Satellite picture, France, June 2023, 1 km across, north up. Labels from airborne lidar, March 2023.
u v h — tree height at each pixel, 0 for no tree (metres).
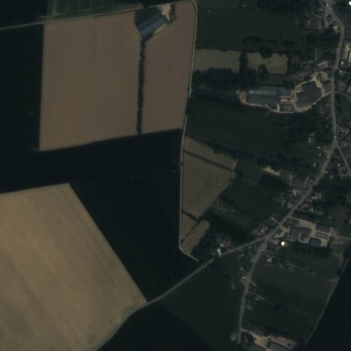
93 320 0
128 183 0
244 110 0
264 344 0
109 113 0
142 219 0
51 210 0
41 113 0
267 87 0
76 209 0
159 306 0
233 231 0
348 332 0
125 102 0
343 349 0
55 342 0
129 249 0
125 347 0
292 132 24
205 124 0
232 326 0
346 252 11
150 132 0
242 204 0
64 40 0
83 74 0
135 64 0
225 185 0
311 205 0
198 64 0
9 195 0
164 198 0
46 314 0
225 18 0
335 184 0
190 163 0
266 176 18
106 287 0
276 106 0
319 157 0
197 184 0
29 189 0
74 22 0
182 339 0
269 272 0
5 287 0
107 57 0
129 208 0
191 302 0
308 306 0
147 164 0
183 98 0
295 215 0
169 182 0
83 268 0
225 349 0
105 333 0
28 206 0
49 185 0
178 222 0
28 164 0
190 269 0
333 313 0
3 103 0
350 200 0
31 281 0
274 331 17
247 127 0
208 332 0
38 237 0
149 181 0
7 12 0
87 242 0
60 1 0
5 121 0
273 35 0
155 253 0
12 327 0
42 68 0
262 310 0
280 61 0
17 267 0
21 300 0
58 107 0
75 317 0
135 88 0
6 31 0
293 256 0
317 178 0
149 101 0
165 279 0
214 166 0
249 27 0
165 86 0
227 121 0
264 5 20
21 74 0
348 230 0
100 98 0
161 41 0
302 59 11
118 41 0
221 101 23
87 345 0
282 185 14
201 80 19
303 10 24
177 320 0
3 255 0
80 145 0
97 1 0
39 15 0
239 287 0
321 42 0
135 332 0
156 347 0
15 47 0
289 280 0
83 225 0
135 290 0
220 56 0
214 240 13
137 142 0
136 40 0
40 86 0
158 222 0
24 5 0
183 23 0
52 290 0
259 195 0
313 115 0
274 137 0
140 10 0
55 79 0
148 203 0
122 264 0
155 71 0
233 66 0
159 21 0
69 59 0
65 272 0
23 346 0
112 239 0
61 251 0
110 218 0
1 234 0
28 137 0
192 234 0
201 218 8
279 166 16
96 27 0
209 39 0
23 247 0
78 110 0
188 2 0
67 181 0
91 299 0
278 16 0
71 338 0
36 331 0
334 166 0
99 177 0
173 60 0
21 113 0
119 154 0
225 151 20
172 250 0
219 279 0
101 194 0
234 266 0
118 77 0
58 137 0
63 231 0
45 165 0
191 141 0
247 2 0
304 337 0
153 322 0
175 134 0
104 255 0
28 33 0
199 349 0
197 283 0
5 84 0
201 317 0
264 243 0
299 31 0
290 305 0
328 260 0
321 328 0
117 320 0
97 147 0
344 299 0
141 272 0
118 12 0
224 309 0
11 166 0
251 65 0
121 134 0
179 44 0
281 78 0
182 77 0
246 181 0
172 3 0
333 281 0
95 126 0
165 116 0
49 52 0
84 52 0
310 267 0
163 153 0
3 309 0
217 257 11
